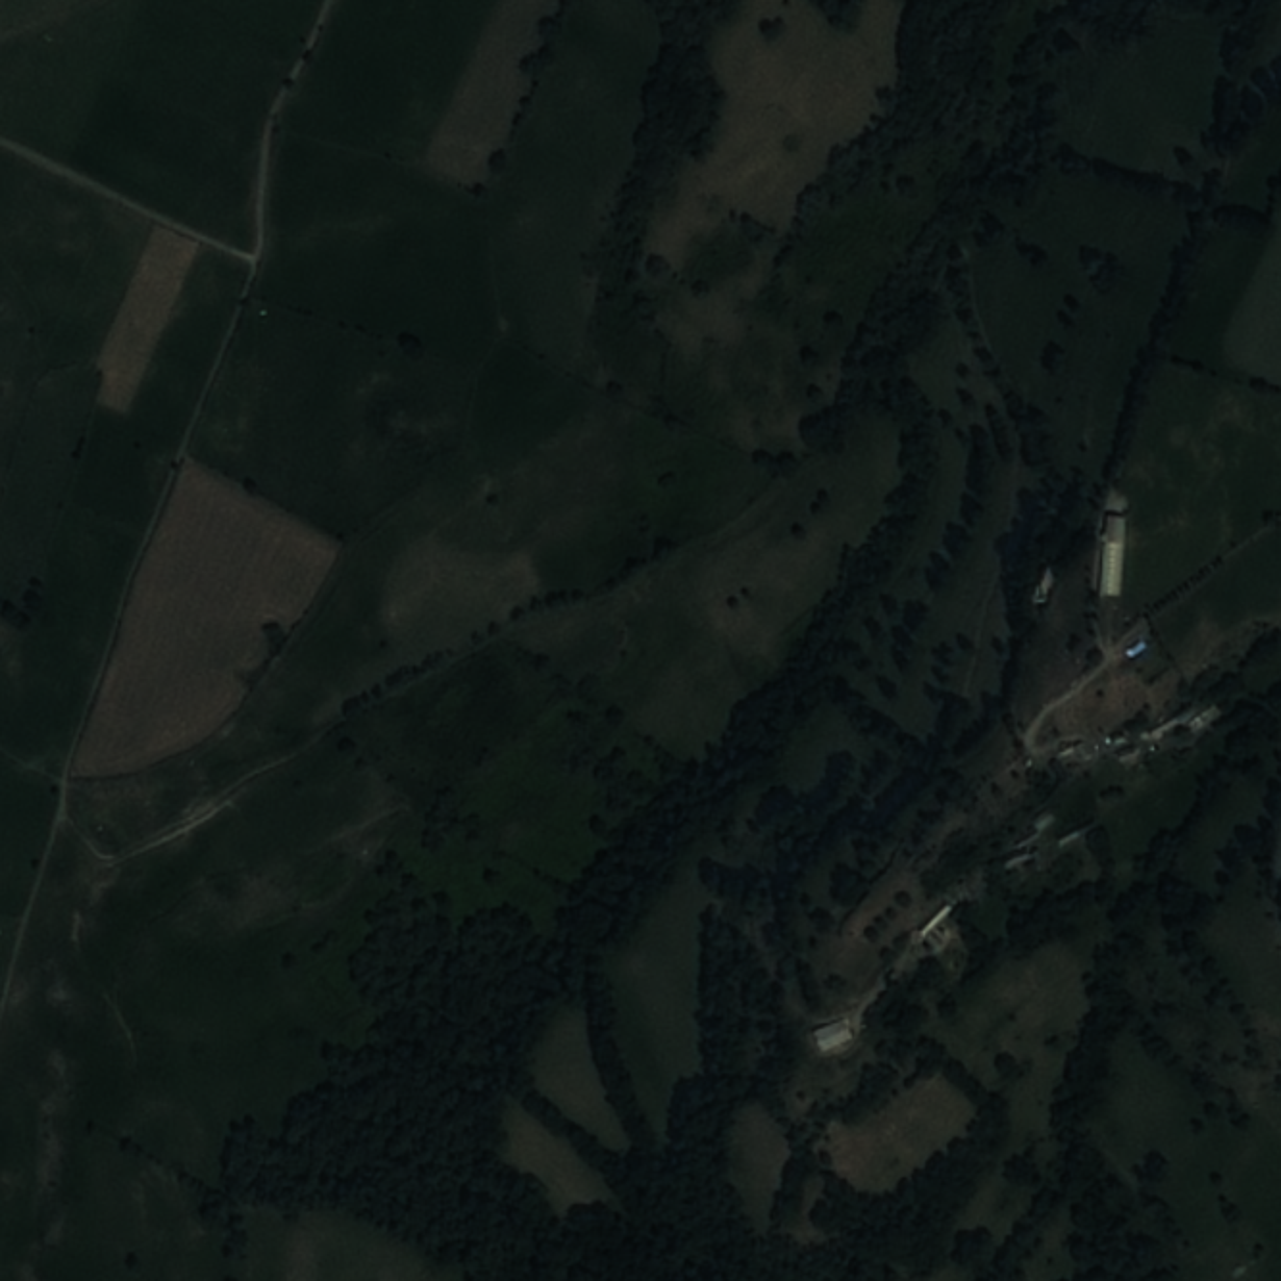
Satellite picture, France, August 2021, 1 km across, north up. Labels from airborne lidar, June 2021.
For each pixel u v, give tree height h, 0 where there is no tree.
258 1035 0
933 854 6
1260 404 0
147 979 0
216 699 0
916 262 14
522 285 0
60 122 0
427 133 0
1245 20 18
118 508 0
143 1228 0
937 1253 17
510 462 0
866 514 0
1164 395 0
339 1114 24
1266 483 0
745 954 11
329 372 0
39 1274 0
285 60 0
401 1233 16
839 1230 11
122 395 0
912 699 0
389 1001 18
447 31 0
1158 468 0
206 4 0
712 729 0
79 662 0
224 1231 14
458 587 0
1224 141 15
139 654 0
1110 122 0
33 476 0
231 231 0
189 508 0
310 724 0
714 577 0
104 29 0
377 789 0
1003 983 0
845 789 15
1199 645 0
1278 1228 0
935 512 0
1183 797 0
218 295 0
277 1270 0
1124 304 0
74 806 0
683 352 0
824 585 0
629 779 6
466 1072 29
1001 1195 0
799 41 0
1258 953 0
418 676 15
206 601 0
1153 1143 0
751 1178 0
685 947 0
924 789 16
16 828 0
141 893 0
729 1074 19
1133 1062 0
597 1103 0
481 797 0
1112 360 0
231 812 0
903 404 22
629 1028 0
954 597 0
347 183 0
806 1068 0
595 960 20
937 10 23
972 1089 15
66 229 0
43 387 0
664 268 17
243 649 0
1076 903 16
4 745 0
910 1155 0
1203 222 17
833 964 0
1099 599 7
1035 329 0
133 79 0
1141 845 0
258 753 0
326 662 0
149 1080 0
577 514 0
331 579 0
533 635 0
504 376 0
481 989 16
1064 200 0
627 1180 22
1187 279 19
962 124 20
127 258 0
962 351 0
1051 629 0
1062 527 16
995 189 23
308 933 0
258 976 0
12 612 13
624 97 0
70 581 0
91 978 0
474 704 0
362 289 0
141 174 0
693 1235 26
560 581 0
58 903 0
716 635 0
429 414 0
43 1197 0
